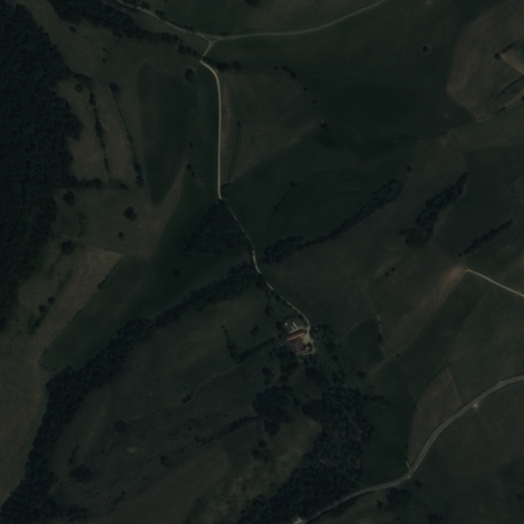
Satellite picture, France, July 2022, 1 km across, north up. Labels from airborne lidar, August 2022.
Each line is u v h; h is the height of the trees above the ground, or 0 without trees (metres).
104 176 0
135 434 0
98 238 0
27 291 0
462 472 0
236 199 0
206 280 0
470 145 0
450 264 0
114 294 0
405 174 0
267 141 0
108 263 0
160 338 0
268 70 0
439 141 0
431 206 14
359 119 0
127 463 0
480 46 0
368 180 0
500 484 0
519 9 0
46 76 17
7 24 29
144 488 0
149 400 0
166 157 0
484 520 0
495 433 0
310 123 0
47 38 8
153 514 0
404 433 0
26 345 0
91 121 0
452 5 0
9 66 16
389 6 0
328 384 17
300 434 0
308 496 11
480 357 0
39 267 0
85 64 0
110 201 0
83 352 0
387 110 0
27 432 0
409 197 0
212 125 0
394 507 13
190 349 0
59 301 0
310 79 0
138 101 0
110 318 0
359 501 0
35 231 19
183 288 0
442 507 0
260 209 0
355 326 0
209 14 0
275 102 0
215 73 0
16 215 15
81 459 0
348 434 17
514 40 0
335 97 0
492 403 0
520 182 0
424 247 0
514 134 0
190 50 15
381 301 0
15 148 24
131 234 0
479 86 0
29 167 26
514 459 0
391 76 0
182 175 0
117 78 0
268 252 6
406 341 0
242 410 0
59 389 17
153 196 0
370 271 0
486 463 0
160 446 0
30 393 0
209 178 0
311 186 0
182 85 0
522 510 0
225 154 0
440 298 0
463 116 0
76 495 0
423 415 0
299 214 0
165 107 0
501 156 0
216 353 0
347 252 0
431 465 0
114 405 0
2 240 25
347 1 0
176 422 0
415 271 0
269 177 0
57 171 32
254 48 0
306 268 0
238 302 0
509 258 0
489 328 0
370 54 0
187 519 0
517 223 0
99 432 0
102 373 21
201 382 0
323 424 13
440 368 0
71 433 0
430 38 0
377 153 0
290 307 7
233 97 0
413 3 0
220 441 0
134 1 11
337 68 0
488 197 0
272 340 11
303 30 0
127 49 0
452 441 0
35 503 22
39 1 0
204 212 0
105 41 0
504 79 0
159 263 0
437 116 0
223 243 25
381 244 0
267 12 0
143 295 0
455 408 0
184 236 0
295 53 0
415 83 0
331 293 0
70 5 23
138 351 0
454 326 0
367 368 0
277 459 0
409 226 0
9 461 0
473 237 0
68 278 0
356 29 0
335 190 0
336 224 0
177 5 0
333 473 15
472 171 0
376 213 0
